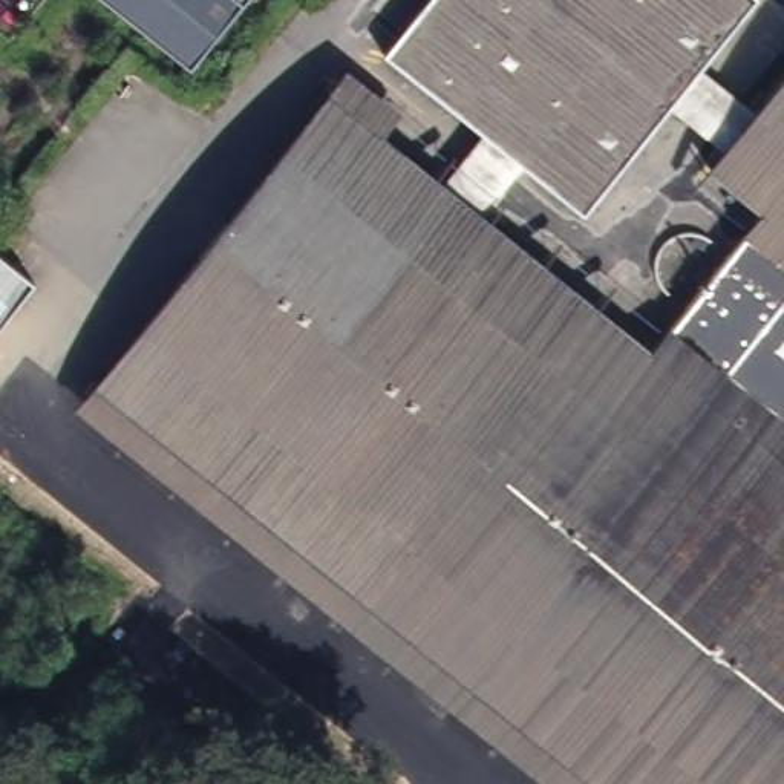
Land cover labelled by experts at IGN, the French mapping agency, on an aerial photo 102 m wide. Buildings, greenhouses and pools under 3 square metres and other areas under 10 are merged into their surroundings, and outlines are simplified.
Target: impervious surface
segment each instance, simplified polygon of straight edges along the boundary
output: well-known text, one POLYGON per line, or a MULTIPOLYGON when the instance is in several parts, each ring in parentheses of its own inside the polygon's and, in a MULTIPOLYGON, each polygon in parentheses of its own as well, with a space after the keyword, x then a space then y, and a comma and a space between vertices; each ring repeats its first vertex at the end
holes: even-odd
POLYGON ((28 25, 28 0, 0 0, 0 25, 28 25))
POLYGON ((343 760, 349 760, 352 753, 349 735, 380 732, 386 738, 395 738, 401 741, 398 766, 404 772, 398 784, 536 784, 511 760, 496 753, 481 735, 475 735, 466 723, 450 717, 407 677, 386 665, 377 652, 371 652, 361 640, 337 628, 306 594, 282 582, 233 536, 214 527, 205 515, 199 515, 178 493, 172 493, 162 481, 156 481, 147 469, 141 469, 132 456, 126 456, 116 444, 110 444, 80 417, 83 401, 135 346, 135 340, 150 328, 150 322, 165 309, 175 291, 193 276, 193 270, 242 214, 251 196, 263 187, 263 181, 276 172, 276 165, 285 159, 285 153, 294 147, 294 141, 303 135, 303 129, 312 123, 319 107, 331 98, 343 77, 364 86, 371 95, 386 92, 401 107, 401 126, 389 135, 389 144, 401 156, 417 162, 435 181, 456 175, 466 156, 478 147, 478 138, 466 126, 456 126, 441 107, 423 98, 386 64, 386 52, 392 49, 392 43, 404 34, 404 28, 429 0, 331 0, 322 12, 291 15, 291 21, 282 28, 282 34, 273 40, 266 52, 239 52, 230 77, 230 101, 217 110, 190 110, 184 104, 175 104, 144 80, 126 80, 107 101, 107 107, 86 126, 80 141, 49 168, 49 175, 43 175, 43 187, 31 196, 34 214, 28 221, 28 230, 21 236, 12 236, 6 245, 0 242, 0 270, 12 266, 21 279, 34 282, 28 303, 0 328, 0 487, 25 508, 34 508, 58 521, 64 530, 77 533, 89 557, 107 564, 129 582, 129 597, 119 603, 116 619, 101 634, 101 658, 135 658, 141 665, 141 677, 147 680, 147 686, 159 695, 168 695, 184 720, 199 717, 205 707, 233 707, 254 698, 266 698, 273 707, 300 714, 309 723, 328 729, 331 744, 343 760))
POLYGON ((723 190, 723 181, 711 172, 711 165, 723 159, 720 147, 711 138, 701 138, 695 129, 689 129, 686 119, 680 119, 674 110, 668 110, 588 211, 527 165, 521 168, 521 178, 508 187, 508 193, 487 208, 490 227, 508 236, 554 279, 573 288, 579 297, 585 297, 600 315, 628 331, 646 349, 658 349, 665 343, 677 319, 701 294, 711 276, 735 251, 735 245, 756 227, 756 214, 732 196, 732 190, 723 190))
POLYGON ((738 18, 726 21, 729 31, 720 40, 720 46, 701 61, 698 77, 711 77, 714 83, 720 83, 735 101, 750 107, 756 116, 784 86, 784 0, 750 0, 738 18))

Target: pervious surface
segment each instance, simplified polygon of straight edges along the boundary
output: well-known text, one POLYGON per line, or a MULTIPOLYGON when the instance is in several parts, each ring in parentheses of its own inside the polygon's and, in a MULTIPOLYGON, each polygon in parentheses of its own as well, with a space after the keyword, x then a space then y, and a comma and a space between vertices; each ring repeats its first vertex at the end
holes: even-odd
POLYGON ((58 132, 74 116, 77 107, 67 104, 67 89, 77 70, 83 67, 83 43, 74 34, 74 25, 64 21, 58 37, 43 49, 49 58, 64 61, 58 74, 40 80, 31 70, 9 74, 0 67, 0 165, 12 165, 21 147, 40 129, 58 132))

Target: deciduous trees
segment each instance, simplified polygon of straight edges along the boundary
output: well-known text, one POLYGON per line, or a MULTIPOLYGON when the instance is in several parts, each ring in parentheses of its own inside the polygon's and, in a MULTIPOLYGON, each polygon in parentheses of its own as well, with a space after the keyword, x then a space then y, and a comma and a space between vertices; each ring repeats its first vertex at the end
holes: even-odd
POLYGON ((168 695, 159 695, 147 686, 147 680, 141 677, 141 665, 135 658, 101 658, 101 634, 116 619, 119 603, 129 597, 129 582, 107 564, 89 557, 77 533, 64 530, 58 521, 34 508, 25 508, 0 487, 0 784, 398 784, 404 772, 398 766, 401 741, 395 738, 386 738, 380 732, 349 735, 352 753, 349 760, 343 760, 331 744, 328 729, 309 723, 300 714, 273 707, 266 698, 254 698, 233 707, 205 707, 199 717, 184 720, 168 695))

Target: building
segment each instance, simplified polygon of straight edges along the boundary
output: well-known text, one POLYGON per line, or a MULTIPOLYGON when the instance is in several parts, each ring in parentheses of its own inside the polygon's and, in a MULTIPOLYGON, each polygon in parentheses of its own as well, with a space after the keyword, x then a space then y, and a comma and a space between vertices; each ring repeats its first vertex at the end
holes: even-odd
POLYGON ((214 52, 214 46, 239 25, 242 12, 257 0, 101 0, 116 15, 123 15, 135 34, 156 46, 156 52, 162 52, 184 70, 193 70, 199 61, 205 61, 214 52))
POLYGON ((371 95, 364 86, 343 77, 331 98, 319 107, 312 123, 303 129, 303 135, 294 141, 294 147, 285 153, 285 159, 276 165, 276 172, 263 181, 263 187, 251 196, 242 214, 193 270, 193 276, 175 291, 165 309, 150 322, 150 328, 135 340, 135 346, 83 401, 80 417, 110 444, 116 444, 126 456, 132 456, 141 469, 147 469, 156 481, 162 481, 172 493, 178 493, 199 515, 205 515, 214 527, 233 536, 282 582, 306 594, 337 628, 361 640, 371 652, 377 652, 386 665, 407 677, 450 717, 466 723, 475 735, 481 735, 496 753, 511 760, 536 784, 784 784, 784 86, 756 116, 750 107, 735 101, 720 83, 714 83, 711 77, 698 77, 701 61, 720 46, 720 40, 729 31, 726 21, 738 18, 750 0, 429 0, 404 28, 404 34, 392 43, 392 49, 386 52, 386 64, 423 98, 441 107, 456 126, 466 126, 478 138, 478 147, 466 156, 456 175, 435 181, 417 162, 401 156, 389 144, 389 135, 401 126, 401 107, 386 92, 371 95), (665 343, 658 349, 646 349, 628 331, 600 315, 585 297, 579 297, 573 288, 554 279, 508 236, 490 227, 487 208, 508 193, 508 187, 521 178, 521 168, 527 165, 588 211, 668 110, 674 110, 680 119, 686 119, 689 129, 695 129, 701 138, 711 138, 720 147, 723 159, 711 165, 711 172, 723 181, 723 190, 732 190, 732 196, 756 214, 756 227, 735 245, 735 251, 711 276, 701 294, 677 319, 665 343))
POLYGON ((28 303, 34 282, 21 279, 12 266, 0 270, 0 328, 28 303))

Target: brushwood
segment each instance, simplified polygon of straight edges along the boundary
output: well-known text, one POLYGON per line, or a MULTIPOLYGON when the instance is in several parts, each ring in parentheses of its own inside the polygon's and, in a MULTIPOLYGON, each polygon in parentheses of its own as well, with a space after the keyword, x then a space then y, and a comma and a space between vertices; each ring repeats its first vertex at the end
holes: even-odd
POLYGON ((135 34, 123 15, 116 15, 101 0, 28 0, 28 25, 0 25, 0 67, 9 74, 31 70, 40 80, 58 74, 64 61, 49 58, 43 49, 58 37, 64 21, 74 25, 74 34, 83 43, 83 67, 77 70, 67 89, 67 104, 77 107, 74 116, 58 132, 40 129, 21 147, 12 165, 0 165, 0 242, 6 245, 12 236, 21 236, 28 230, 28 221, 34 214, 31 196, 43 187, 43 175, 49 175, 49 168, 80 141, 86 126, 107 107, 107 101, 126 80, 144 80, 175 104, 184 104, 190 110, 217 110, 230 101, 230 77, 239 52, 266 52, 273 40, 282 34, 282 28, 291 21, 291 15, 322 12, 331 0, 257 0, 242 12, 239 25, 214 46, 214 52, 205 61, 199 61, 193 70, 184 70, 162 52, 156 52, 156 46, 135 34))

